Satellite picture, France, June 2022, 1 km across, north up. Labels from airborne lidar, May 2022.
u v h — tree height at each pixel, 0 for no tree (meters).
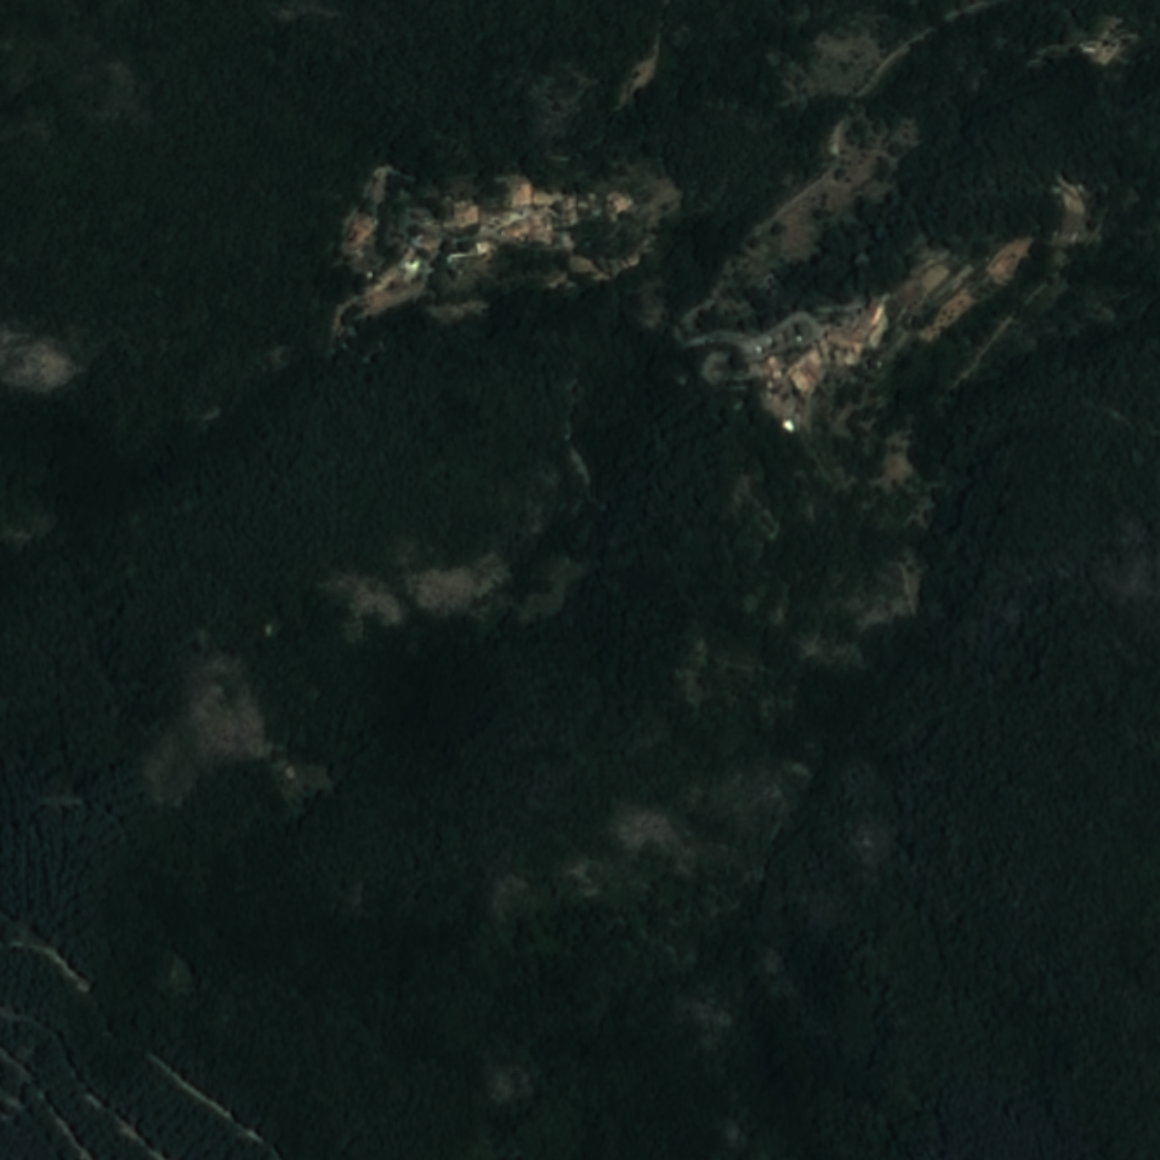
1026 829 12
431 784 21
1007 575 14
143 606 14
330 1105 16
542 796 19
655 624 7
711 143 19
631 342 15
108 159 16
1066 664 12
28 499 16
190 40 14
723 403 10
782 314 11
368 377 13
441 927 18
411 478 13
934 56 14
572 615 13
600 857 8
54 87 10
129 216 14
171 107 16
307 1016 21
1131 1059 14
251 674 8
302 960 18
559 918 10
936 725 9
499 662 13
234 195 16
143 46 8
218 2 19
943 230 16
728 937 11
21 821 31
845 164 6
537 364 18
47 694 12
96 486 15
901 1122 7
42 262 15
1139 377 15
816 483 7
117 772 20
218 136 17
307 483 13
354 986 21
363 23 11
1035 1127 20
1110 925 11
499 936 8
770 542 12
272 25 17
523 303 17
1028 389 13
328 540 12
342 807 20
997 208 11
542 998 13
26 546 10
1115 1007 15
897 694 9
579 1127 16
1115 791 13
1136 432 13
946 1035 16
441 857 20
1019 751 14
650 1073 11
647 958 7
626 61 19
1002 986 27
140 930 21
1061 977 11
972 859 14
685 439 13
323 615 11
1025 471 22
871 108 15
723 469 17
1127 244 6
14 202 16
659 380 16
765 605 11
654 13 14
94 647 13
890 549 10
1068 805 11
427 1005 17
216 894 20
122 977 15
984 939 11
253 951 18
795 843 15
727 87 13
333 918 11
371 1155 15
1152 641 9
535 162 15
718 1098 14
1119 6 20
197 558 12
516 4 18
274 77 16
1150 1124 16
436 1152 17
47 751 14
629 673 13
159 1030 20
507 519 8
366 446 11
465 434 22
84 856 26
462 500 9
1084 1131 14
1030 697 14
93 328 7
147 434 19
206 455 19
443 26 20
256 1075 21
